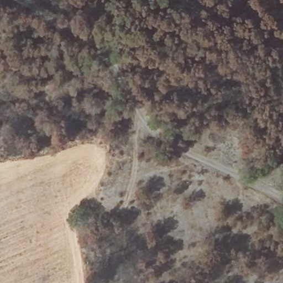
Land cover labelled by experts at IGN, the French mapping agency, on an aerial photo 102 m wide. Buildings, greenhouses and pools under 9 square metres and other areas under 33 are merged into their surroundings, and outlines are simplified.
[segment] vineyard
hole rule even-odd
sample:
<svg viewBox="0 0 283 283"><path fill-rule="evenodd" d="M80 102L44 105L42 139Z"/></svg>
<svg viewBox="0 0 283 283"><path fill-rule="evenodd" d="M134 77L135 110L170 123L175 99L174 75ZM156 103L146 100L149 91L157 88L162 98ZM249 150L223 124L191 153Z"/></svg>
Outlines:
<svg viewBox="0 0 283 283"><path fill-rule="evenodd" d="M86 277L91 274L90 268L83 263L77 233L70 227L67 219L71 210L80 205L83 199L91 198L105 172L106 151L103 148L84 144L62 150L54 156L38 157L0 163L0 283L85 283Z"/></svg>

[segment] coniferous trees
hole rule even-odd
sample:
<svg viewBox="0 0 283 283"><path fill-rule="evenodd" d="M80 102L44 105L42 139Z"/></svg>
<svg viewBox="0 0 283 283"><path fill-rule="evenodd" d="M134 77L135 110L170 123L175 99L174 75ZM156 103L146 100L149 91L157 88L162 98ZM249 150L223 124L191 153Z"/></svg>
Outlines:
<svg viewBox="0 0 283 283"><path fill-rule="evenodd" d="M174 218L158 220L151 230L139 234L135 220L140 212L135 207L119 209L115 206L107 211L102 203L91 198L83 199L80 205L71 210L67 219L70 227L77 233L83 263L90 268L91 274L86 277L85 283L108 283L114 279L120 264L133 262L135 259L138 263L144 262L146 268L153 269L155 277L160 277L174 266L176 260L170 255L184 249L184 241L170 237L168 233L177 227L178 221Z"/></svg>
<svg viewBox="0 0 283 283"><path fill-rule="evenodd" d="M283 198L273 198L269 203L253 206L248 211L241 209L229 218L221 213L216 219L218 227L210 229L203 240L205 244L209 244L208 250L205 251L205 262L187 274L179 274L177 281L161 283L283 283Z"/></svg>
<svg viewBox="0 0 283 283"><path fill-rule="evenodd" d="M38 157L41 150L51 145L53 136L59 137L60 143L66 146L69 141L74 141L82 130L86 134L96 136L101 128L103 134L111 139L127 135L128 129L133 126L133 120L124 118L124 112L135 112L136 108L144 107L147 116L150 117L148 126L151 129L164 130L157 137L147 136L143 139L144 144L156 148L156 158L163 155L172 163L172 160L180 158L181 154L187 153L190 147L199 143L203 130L209 128L211 123L218 122L218 127L231 128L237 132L242 159L249 169L249 178L256 181L268 177L279 167L283 169L283 0L0 0L0 163Z"/></svg>

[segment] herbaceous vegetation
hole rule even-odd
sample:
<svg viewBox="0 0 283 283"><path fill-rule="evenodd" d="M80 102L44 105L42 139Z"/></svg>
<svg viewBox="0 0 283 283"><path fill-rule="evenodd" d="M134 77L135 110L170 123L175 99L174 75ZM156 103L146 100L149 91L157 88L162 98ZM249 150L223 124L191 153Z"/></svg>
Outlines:
<svg viewBox="0 0 283 283"><path fill-rule="evenodd" d="M82 130L74 141L69 141L66 146L60 143L59 137L53 136L51 145L41 150L38 157L54 156L62 150L84 144L103 148L106 151L105 172L91 198L102 203L107 211L115 206L119 209L135 207L140 212L135 220L139 234L151 230L158 220L174 218L178 221L177 227L168 233L170 237L184 241L184 249L170 255L176 260L174 266L160 277L155 277L153 269L146 268L144 262L138 263L135 259L133 262L120 264L114 279L108 283L161 283L177 281L179 274L187 274L205 262L205 251L208 250L209 244L205 244L203 240L210 229L218 227L216 219L221 213L229 218L241 209L248 211L253 206L269 203L273 198L283 198L283 169L279 167L268 177L256 181L249 178L249 169L242 159L237 132L231 128L218 127L218 122L211 123L209 128L203 130L199 143L190 147L187 153L181 154L180 158L172 160L172 163L163 155L156 158L156 148L144 144L143 139L147 136L157 137L164 130L151 129L148 126L150 117L147 116L144 107L136 108L135 112L124 112L124 118L133 120L133 126L128 129L127 135L111 139L103 134L101 128L96 136L86 134Z"/></svg>

